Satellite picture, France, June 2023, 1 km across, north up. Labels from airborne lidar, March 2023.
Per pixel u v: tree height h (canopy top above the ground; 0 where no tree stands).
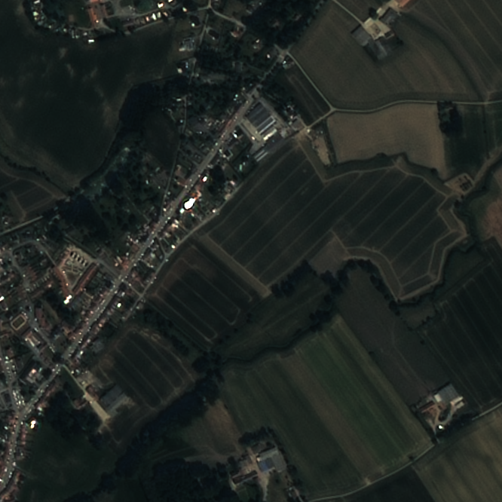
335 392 0
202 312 0
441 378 0
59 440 0
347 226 0
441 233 0
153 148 0
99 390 0
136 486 0
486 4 0
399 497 0
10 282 0
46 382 0
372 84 0
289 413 0
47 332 0
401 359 0
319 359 0
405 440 0
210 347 0
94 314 0
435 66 0
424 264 0
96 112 0
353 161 0
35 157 0
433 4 0
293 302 0
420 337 0
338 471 0
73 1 0
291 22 10
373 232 0
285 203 0
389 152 0
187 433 0
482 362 0
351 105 0
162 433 28
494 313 0
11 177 0
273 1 27
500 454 0
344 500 0
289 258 0
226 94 9
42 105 0
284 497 0
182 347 19
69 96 0
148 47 0
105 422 0
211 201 0
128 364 0
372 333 0
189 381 0
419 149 0
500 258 0
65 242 0
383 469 0
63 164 0
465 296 0
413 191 0
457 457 0
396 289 0
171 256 0
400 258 0
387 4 0
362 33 0
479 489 0
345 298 0
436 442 10
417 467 0
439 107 10
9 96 0
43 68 0
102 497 0
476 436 0
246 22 25
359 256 0
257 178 0
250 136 0
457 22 0
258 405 0
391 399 0
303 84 0
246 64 6
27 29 0
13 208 0
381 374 0
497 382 0
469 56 0
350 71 0
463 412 0
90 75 0
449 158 0
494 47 0
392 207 0
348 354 0
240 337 0
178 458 0
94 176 9
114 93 0
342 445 0
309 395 0
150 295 0
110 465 0
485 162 0
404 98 0
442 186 0
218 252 0
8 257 0
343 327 0
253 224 0
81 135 0
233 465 17
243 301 0
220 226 0
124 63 0
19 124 0
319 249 0
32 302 0
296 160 0
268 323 0
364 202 0
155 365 0
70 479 0
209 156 0
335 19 0
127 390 0
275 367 0
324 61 0
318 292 0
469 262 0
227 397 0
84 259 0
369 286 0
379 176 0
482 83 0
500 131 0
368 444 0
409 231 0
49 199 0
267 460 0
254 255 0
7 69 0
